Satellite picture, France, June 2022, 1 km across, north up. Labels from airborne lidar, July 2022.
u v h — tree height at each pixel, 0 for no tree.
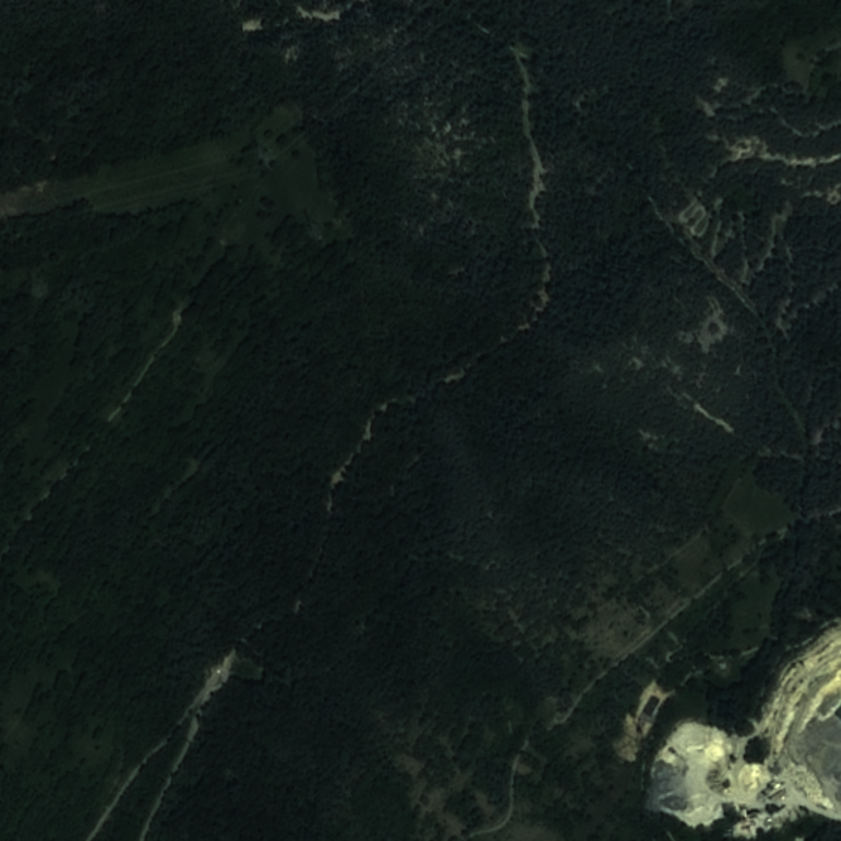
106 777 8
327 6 8
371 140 18
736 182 16
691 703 0
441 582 27
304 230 13
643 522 14
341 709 27
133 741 9
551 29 18
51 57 12
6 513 11
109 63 25
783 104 16
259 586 25
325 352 17
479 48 17
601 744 9
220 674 0
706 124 13
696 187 10
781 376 11
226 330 7
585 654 5
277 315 11
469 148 8
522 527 17
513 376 17
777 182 11
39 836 12
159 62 19
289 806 28
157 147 16
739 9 12
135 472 16
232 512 26
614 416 12
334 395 19
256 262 13
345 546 22
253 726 19
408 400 18
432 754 12
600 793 12
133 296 13
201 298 17
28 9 21
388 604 28
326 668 21
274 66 15
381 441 22
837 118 17
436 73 15
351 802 10
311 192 0
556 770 10
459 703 16
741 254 11
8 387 17
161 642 18
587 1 15
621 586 6
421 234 16
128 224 23
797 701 0
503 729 11
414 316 18
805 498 17
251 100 23
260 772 25
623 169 22
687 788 0
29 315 22
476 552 18
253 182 0
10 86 8
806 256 15
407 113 7
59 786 13
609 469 15
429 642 26
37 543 17
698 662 12
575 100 17
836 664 0
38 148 21
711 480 13
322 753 24
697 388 10
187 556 16
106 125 18
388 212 14
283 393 23
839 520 13
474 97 16
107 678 16
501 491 18
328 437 16
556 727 6
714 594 8
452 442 15
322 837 24
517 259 15
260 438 21
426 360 21
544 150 12
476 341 26
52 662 14
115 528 19
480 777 13
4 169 18
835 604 14
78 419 9
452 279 15
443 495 21
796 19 13
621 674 12
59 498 15
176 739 14
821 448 10
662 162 15
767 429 9
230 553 24
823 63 15
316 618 24
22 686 0
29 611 10
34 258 21
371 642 22
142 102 22
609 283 28
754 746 13
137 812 12
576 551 18
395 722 12
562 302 26
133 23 26
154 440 11
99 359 11
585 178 6
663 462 12
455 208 7
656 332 10
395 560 27
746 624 0
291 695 15
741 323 10
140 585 11
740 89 12
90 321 19
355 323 24
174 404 9
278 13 16
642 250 8
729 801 0
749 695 16
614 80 19
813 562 21
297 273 10
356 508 22
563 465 19
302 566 24
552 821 9
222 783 29
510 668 15
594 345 17
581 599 11
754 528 0
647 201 11
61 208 9
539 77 26
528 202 12
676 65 22
